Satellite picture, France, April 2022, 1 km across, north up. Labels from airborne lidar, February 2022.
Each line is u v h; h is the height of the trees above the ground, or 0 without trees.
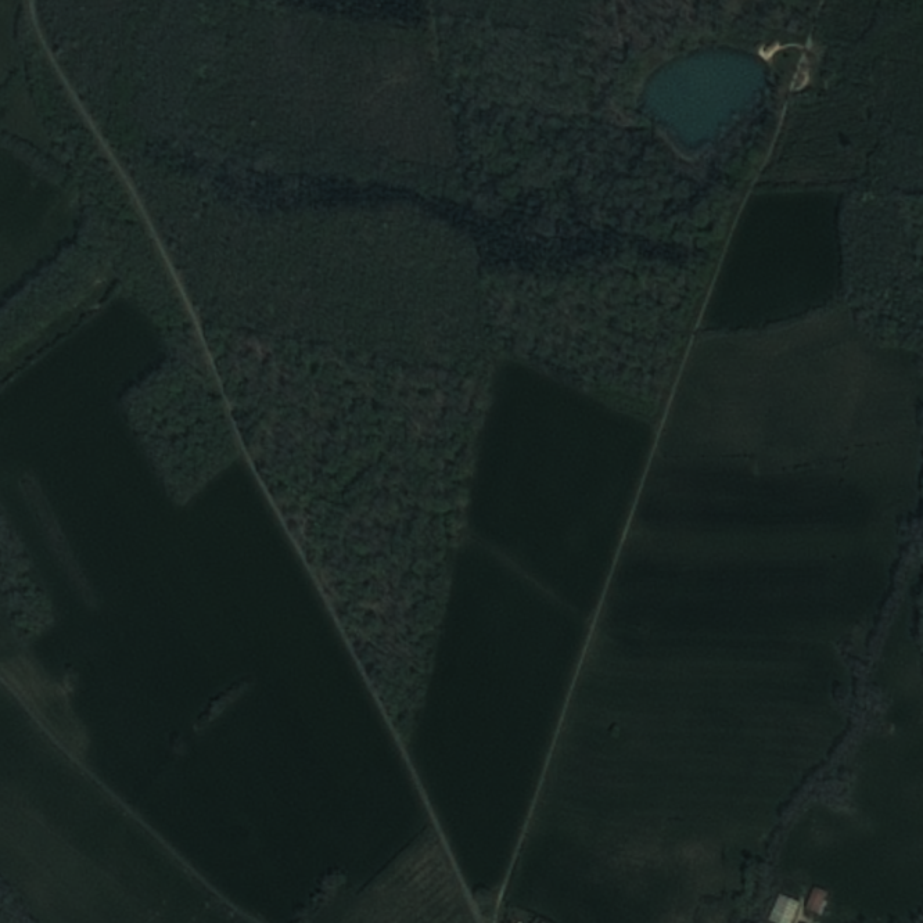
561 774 0
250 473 0
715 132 0
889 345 16
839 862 0
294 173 13
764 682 0
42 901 0
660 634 0
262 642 0
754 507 0
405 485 29
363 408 28
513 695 0
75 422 0
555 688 0
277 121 6
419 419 27
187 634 0
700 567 0
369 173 17
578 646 0
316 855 0
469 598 0
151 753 0
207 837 0
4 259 0
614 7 27
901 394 0
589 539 0
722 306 0
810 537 0
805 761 0
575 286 24
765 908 13
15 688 0
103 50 12
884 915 0
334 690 0
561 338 25
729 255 0
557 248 23
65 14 12
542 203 26
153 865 0
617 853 0
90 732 0
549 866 0
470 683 0
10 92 6
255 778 0
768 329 6
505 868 0
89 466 0
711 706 0
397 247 17
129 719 0
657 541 0
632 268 24
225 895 0
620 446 0
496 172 26
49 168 23
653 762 0
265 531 0
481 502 0
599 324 28
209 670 0
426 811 0
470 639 0
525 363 8
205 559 0
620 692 0
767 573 0
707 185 22
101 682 0
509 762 0
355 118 7
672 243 22
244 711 0
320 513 26
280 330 19
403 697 21
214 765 0
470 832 0
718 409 0
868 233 13
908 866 0
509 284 27
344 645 0
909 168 20
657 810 0
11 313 24
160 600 0
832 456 0
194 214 15
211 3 16
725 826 0
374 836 0
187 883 0
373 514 29
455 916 0
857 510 0
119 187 15
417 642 23
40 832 0
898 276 15
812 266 0
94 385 0
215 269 18
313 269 17
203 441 25
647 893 0
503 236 22
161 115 20
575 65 24
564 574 0
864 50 13
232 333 24
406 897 0
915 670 0
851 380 0
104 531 0
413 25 25
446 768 0
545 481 0
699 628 0
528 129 24
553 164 20
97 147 10
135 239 16
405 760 0
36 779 0
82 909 0
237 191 19
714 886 0
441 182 16
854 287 17
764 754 0
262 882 0
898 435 0
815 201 0
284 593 0
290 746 0
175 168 17
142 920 0
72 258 21
